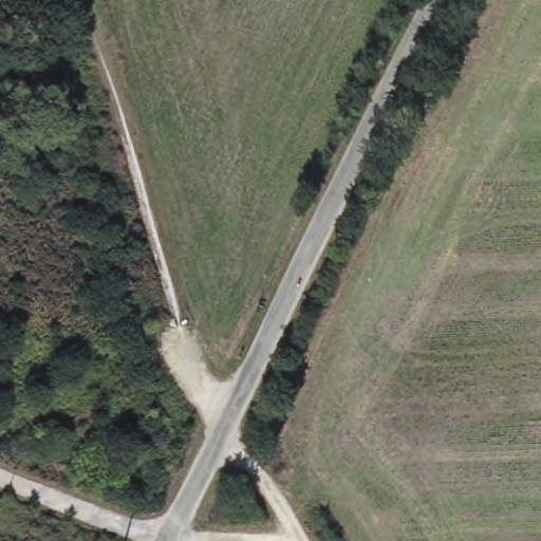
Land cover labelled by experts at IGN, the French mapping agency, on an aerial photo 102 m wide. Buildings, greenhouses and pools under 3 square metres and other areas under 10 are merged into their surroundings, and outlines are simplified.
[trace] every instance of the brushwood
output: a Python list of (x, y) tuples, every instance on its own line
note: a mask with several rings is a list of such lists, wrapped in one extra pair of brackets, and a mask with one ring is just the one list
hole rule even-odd
[[(82, 85), (87, 87), (87, 97), (78, 104), (78, 118), (74, 131), (70, 131), (66, 137), (57, 137), (57, 148), (36, 148), (36, 152), (23, 152), (23, 163), (32, 171), (30, 178), (21, 178), (21, 182), (17, 182), (15, 186), (8, 186), (8, 182), (0, 178), (0, 323), (6, 328), (27, 323), (23, 351), (13, 359), (13, 378), (0, 383), (0, 469), (42, 482), (70, 497), (82, 499), (87, 503), (93, 503), (97, 507), (110, 509), (127, 518), (150, 520), (158, 516), (167, 509), (167, 505), (169, 480), (188, 469), (190, 465), (186, 463), (186, 446), (190, 444), (192, 429), (201, 414), (190, 404), (184, 389), (178, 385), (175, 376), (169, 372), (169, 366), (161, 355), (161, 338), (169, 328), (171, 309), (165, 296), (158, 262), (152, 251), (146, 222), (142, 218), (139, 199), (127, 161), (127, 150), (123, 146), (120, 125), (116, 114), (112, 114), (112, 97), (99, 72), (99, 59), (93, 51), (74, 63)], [(42, 363), (51, 349), (68, 336), (85, 336), (93, 347), (93, 353), (87, 359), (91, 361), (89, 370), (85, 372), (80, 383), (66, 385), (61, 389), (53, 389), (51, 385), (36, 389), (25, 387), (25, 374), (30, 372), (30, 368), (34, 363)], [(38, 437), (34, 431), (46, 427), (66, 429), (74, 440), (70, 456), (53, 465), (40, 465), (30, 454), (34, 448), (34, 440)], [(95, 433), (99, 431), (131, 435), (137, 442), (146, 444), (146, 448), (142, 452), (106, 452), (104, 444), (93, 442)]]
[(298, 520), (311, 541), (347, 541), (342, 526), (338, 524), (328, 505), (309, 509)]
[(292, 207), (296, 216), (304, 216), (313, 209), (321, 192), (311, 184), (298, 182), (298, 188), (292, 197)]
[(319, 150), (323, 165), (332, 169), (332, 158), (336, 150), (347, 148), (370, 101), (372, 89), (378, 85), (383, 72), (387, 70), (389, 57), (393, 49), (399, 44), (412, 13), (425, 6), (427, 0), (385, 0), (385, 6), (374, 15), (368, 27), (366, 44), (353, 55), (347, 80), (342, 89), (336, 93), (336, 110), (328, 118), (328, 144)]
[(433, 25), (427, 30), (425, 40), (418, 42), (414, 38), (410, 55), (402, 59), (402, 63), (397, 66), (393, 89), (389, 91), (385, 104), (374, 110), (372, 131), (370, 137), (363, 142), (363, 158), (359, 163), (359, 173), (355, 178), (355, 184), (347, 192), (347, 207), (342, 216), (336, 220), (334, 235), (323, 251), (323, 258), (317, 271), (313, 273), (309, 287), (304, 290), (296, 315), (285, 325), (283, 336), (275, 353), (271, 355), (262, 383), (243, 418), (241, 442), (245, 446), (245, 452), (241, 459), (251, 461), (251, 465), (260, 463), (273, 478), (275, 473), (285, 469), (283, 454), (279, 450), (279, 433), (287, 421), (287, 414), (294, 412), (294, 399), (304, 383), (306, 349), (315, 334), (317, 321), (325, 311), (330, 298), (336, 294), (340, 273), (347, 266), (353, 247), (357, 245), (366, 228), (368, 216), (378, 207), (380, 194), (389, 190), (397, 167), (410, 156), (412, 144), (418, 137), (421, 127), (425, 125), (427, 112), (435, 108), (440, 99), (452, 95), (452, 89), (461, 76), (465, 55), (469, 51), (469, 42), (478, 36), (478, 21), (480, 15), (486, 11), (486, 0), (437, 0), (429, 15), (429, 21)]
[(0, 533), (17, 537), (40, 537), (42, 528), (27, 524), (44, 507), (42, 503), (17, 503), (21, 495), (17, 492), (0, 497)]
[(275, 516), (271, 507), (266, 511), (258, 509), (254, 501), (254, 490), (247, 486), (245, 478), (222, 475), (220, 471), (211, 486), (216, 490), (213, 507), (235, 528), (235, 533), (249, 533), (258, 522), (268, 522)]

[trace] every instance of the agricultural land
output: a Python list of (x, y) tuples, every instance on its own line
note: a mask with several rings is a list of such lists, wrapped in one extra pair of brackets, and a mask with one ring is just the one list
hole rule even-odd
[(347, 266), (340, 273), (336, 294), (330, 298), (325, 311), (317, 321), (315, 334), (306, 349), (304, 383), (294, 399), (294, 412), (287, 414), (287, 421), (279, 433), (279, 450), (283, 454), (285, 469), (275, 473), (273, 478), (273, 482), (283, 492), (285, 501), (290, 503), (298, 520), (309, 509), (328, 505), (338, 524), (342, 526), (347, 541), (541, 541), (541, 0), (486, 0), (486, 11), (480, 15), (478, 21), (478, 36), (469, 42), (469, 51), (465, 55), (461, 76), (452, 89), (452, 95), (440, 99), (435, 108), (427, 112), (425, 125), (421, 127), (418, 137), (412, 144), (410, 156), (397, 167), (389, 190), (380, 194), (378, 207), (368, 216), (366, 228), (357, 245), (353, 247)]
[(304, 216), (296, 216), (292, 207), (292, 197), (298, 188), (298, 182), (298, 175), (311, 158), (311, 154), (319, 150), (328, 144), (328, 118), (336, 110), (336, 93), (342, 89), (347, 80), (353, 55), (366, 44), (368, 27), (374, 15), (385, 6), (385, 0), (78, 0), (87, 17), (87, 30), (91, 32), (93, 49), (97, 44), (104, 46), (114, 82), (125, 106), (129, 131), (146, 182), (150, 207), (171, 273), (180, 313), (182, 319), (186, 319), (186, 330), (190, 338), (197, 338), (201, 359), (205, 361), (207, 372), (216, 380), (228, 380), (232, 374), (245, 359), (247, 349), (251, 347), (251, 340), (266, 315), (266, 309), (273, 302), (277, 287), (294, 258), (294, 251), (298, 249), (300, 239), (311, 222), (313, 209)]

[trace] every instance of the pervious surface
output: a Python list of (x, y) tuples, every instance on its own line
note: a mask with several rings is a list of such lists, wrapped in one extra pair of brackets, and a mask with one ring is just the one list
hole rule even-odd
[(251, 461), (241, 459), (235, 456), (226, 461), (226, 465), (220, 471), (222, 475), (245, 478), (247, 486), (254, 490), (254, 501), (258, 509), (266, 511), (271, 507), (275, 516), (268, 522), (258, 522), (249, 533), (235, 533), (235, 528), (213, 507), (216, 490), (211, 486), (205, 492), (201, 507), (194, 516), (194, 530), (178, 541), (311, 541), (298, 520), (290, 503), (285, 501), (283, 492), (273, 482), (273, 478), (260, 463), (251, 465)]
[(82, 85), (74, 63), (68, 59), (59, 59), (44, 70), (8, 70), (6, 76), (11, 82), (23, 82), (27, 89), (40, 85), (57, 85), (61, 91), (68, 93), (70, 118), (78, 118), (78, 104), (87, 97), (87, 87)]
[(182, 319), (180, 313), (171, 273), (150, 207), (146, 182), (129, 131), (125, 106), (114, 82), (104, 46), (97, 44), (93, 49), (93, 51), (99, 59), (99, 72), (112, 97), (112, 114), (116, 114), (120, 125), (123, 146), (127, 150), (127, 161), (139, 199), (142, 218), (146, 222), (152, 251), (158, 262), (165, 296), (171, 309), (169, 328), (161, 338), (161, 355), (169, 366), (169, 372), (175, 376), (178, 385), (184, 389), (190, 404), (201, 414), (192, 429), (190, 444), (186, 446), (186, 463), (190, 465), (203, 444), (205, 425), (216, 427), (237, 385), (237, 376), (232, 374), (228, 380), (216, 380), (207, 372), (205, 361), (201, 359), (197, 338), (190, 338), (186, 330), (186, 319)]
[(110, 509), (97, 507), (93, 503), (87, 503), (82, 499), (70, 497), (42, 482), (0, 469), (0, 497), (17, 492), (21, 495), (17, 503), (42, 503), (44, 507), (55, 511), (66, 511), (68, 507), (72, 507), (80, 522), (114, 530), (133, 541), (156, 541), (161, 528), (165, 526), (165, 522), (158, 516), (150, 520), (127, 518)]
[(188, 469), (169, 480), (167, 505), (175, 499)]

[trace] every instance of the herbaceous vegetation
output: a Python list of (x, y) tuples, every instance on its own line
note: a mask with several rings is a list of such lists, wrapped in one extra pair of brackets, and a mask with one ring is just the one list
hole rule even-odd
[(0, 541), (133, 541), (114, 530), (80, 522), (72, 507), (68, 507), (66, 511), (55, 511), (44, 507), (27, 524), (42, 528), (40, 537), (17, 537), (0, 533)]
[(319, 150), (311, 154), (311, 158), (298, 175), (298, 182), (311, 184), (321, 192), (332, 169), (323, 165)]

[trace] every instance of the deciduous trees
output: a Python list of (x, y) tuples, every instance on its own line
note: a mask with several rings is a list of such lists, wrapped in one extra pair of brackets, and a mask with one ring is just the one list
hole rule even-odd
[(34, 448), (30, 454), (40, 465), (53, 465), (70, 456), (74, 440), (66, 429), (46, 427), (34, 431), (38, 437), (34, 440)]
[(13, 378), (13, 359), (23, 351), (27, 323), (6, 328), (0, 323), (0, 383)]
[(23, 152), (36, 152), (36, 148), (57, 148), (57, 137), (66, 137), (70, 131), (74, 131), (78, 118), (70, 118), (68, 93), (61, 91), (57, 85), (40, 85), (27, 89), (23, 82), (11, 82), (6, 76), (8, 70), (44, 70), (59, 59), (68, 59), (74, 63), (93, 51), (93, 49), (91, 32), (87, 30), (87, 17), (78, 0), (0, 0), (0, 178), (8, 182), (8, 186), (15, 186), (17, 182), (21, 182), (21, 178), (30, 178), (32, 171), (23, 163)]
[(93, 347), (85, 336), (68, 336), (51, 349), (42, 363), (34, 363), (30, 368), (30, 372), (25, 374), (25, 387), (36, 389), (51, 385), (53, 389), (61, 389), (66, 385), (80, 383), (85, 372), (89, 370), (91, 361), (87, 359), (93, 353)]
[(146, 444), (137, 442), (131, 435), (99, 431), (95, 433), (93, 442), (104, 444), (106, 452), (142, 452), (146, 448)]

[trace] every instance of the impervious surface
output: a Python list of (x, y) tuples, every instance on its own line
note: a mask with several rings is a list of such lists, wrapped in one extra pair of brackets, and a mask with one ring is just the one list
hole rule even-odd
[(355, 178), (359, 173), (359, 163), (363, 158), (363, 142), (370, 137), (372, 131), (374, 110), (385, 104), (389, 91), (393, 89), (397, 66), (402, 63), (402, 59), (410, 55), (414, 38), (418, 42), (425, 40), (427, 30), (433, 25), (429, 21), (429, 15), (437, 0), (427, 0), (425, 6), (412, 13), (399, 44), (393, 49), (389, 57), (387, 70), (383, 72), (378, 85), (372, 89), (370, 101), (347, 148), (336, 150), (332, 158), (332, 169), (321, 192), (313, 209), (311, 222), (300, 239), (298, 249), (294, 251), (294, 258), (277, 287), (273, 302), (266, 309), (266, 315), (251, 340), (251, 347), (247, 349), (245, 359), (232, 374), (237, 376), (237, 385), (216, 427), (205, 425), (203, 444), (190, 465), (188, 469), (175, 499), (167, 505), (167, 509), (158, 516), (165, 522), (165, 526), (161, 528), (156, 541), (178, 541), (194, 530), (194, 516), (201, 507), (205, 492), (211, 486), (220, 471), (226, 465), (226, 461), (235, 456), (241, 459), (245, 452), (245, 446), (241, 442), (243, 418), (262, 383), (271, 355), (275, 353), (283, 336), (285, 325), (296, 315), (304, 290), (309, 287), (313, 273), (317, 271), (323, 258), (323, 251), (334, 235), (336, 220), (342, 216), (347, 207), (347, 192), (355, 184)]

